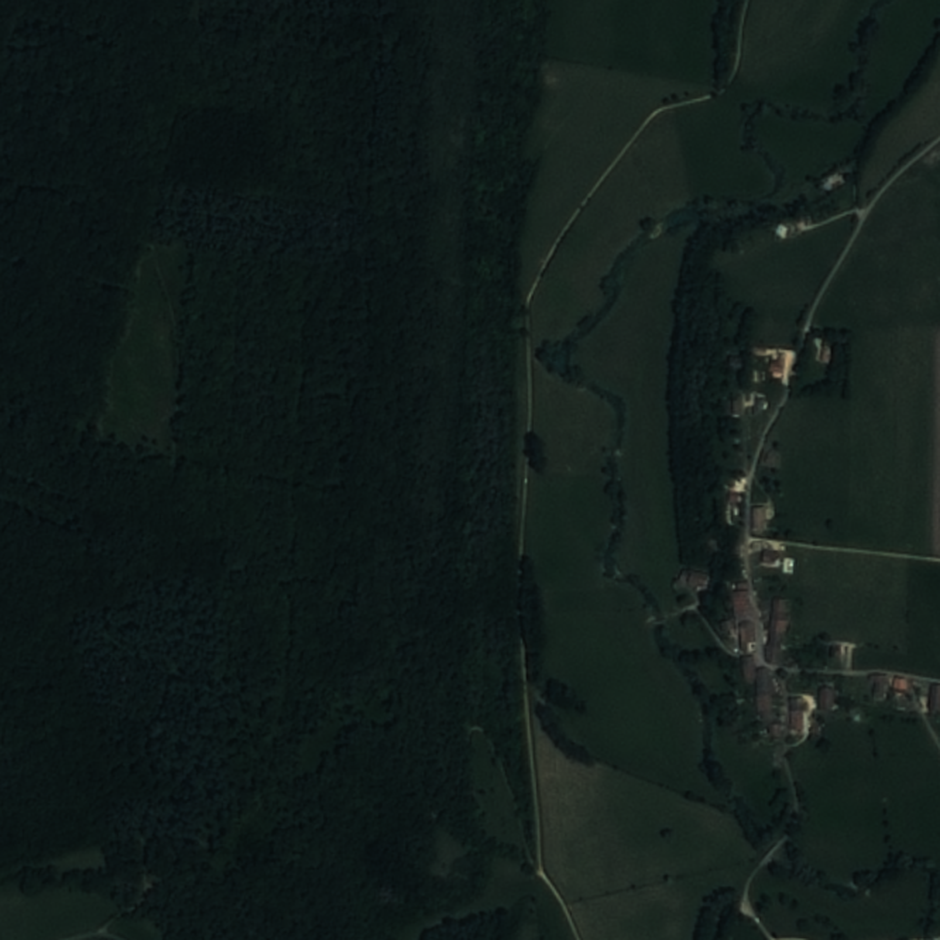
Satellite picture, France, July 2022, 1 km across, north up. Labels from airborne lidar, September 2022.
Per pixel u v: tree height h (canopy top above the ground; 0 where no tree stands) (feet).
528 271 0
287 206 58
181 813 116
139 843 61
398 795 56
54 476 84
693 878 0
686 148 0
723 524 39
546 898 0
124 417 0
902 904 0
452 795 42
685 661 54
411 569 61
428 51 38
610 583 0
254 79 73
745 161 0
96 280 84
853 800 0
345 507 65
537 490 0
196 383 70
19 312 86
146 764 73
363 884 43
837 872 0
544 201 0
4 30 83
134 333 0
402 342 71
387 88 79
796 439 0
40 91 81
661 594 0
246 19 55
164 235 66
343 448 69
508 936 54
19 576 86
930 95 0
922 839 0
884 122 42
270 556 58
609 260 0
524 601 66
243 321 26
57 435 68
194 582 84
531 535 0
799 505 0
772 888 0
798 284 0
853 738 0
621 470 0
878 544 0
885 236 0
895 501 0
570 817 0
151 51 79
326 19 70
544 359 57
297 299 53
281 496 50
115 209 72
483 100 51
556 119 0
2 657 73
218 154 52
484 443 57
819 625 0
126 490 85
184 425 78
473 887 19
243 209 59
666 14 0
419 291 41
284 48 77
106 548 106
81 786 85
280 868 64
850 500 0
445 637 61
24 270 93
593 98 0
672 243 0
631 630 0
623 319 0
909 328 0
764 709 0
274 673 50
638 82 0
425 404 49
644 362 0
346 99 82
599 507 0
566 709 56
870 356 0
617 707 0
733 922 73
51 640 77
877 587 0
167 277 0
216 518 68
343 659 81
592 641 0
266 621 47
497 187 68
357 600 69
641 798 0
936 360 0
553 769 0
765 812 0
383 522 58
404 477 60
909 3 0
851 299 0
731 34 50
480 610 58
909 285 0
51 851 50
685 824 0
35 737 76
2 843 35
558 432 0
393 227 75
